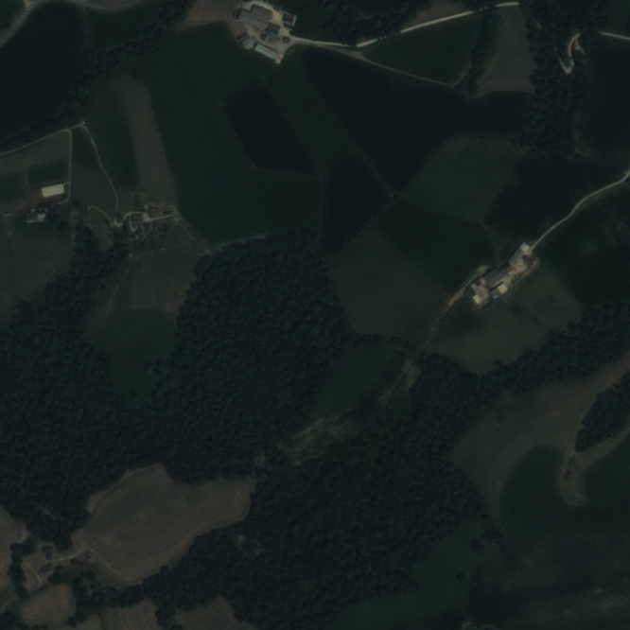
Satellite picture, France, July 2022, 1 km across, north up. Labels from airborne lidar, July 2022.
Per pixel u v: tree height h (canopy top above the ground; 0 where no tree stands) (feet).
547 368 73
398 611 0
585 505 0
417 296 0
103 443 73
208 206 0
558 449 0
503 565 0
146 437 68
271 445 72
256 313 74
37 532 70
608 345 89
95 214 0
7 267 0
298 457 0
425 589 0
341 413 0
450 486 39
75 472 96
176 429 59
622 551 0
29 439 51
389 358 0
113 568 0
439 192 0
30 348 84
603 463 0
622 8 0
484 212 0
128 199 0
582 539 0
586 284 0
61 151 0
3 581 0
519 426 0
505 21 0
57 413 84
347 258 0
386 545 66
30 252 0
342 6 38
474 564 0
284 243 82
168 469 47
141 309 0
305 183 0
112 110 0
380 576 93
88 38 0
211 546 56
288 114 0
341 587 92
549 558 0
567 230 0
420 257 0
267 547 66
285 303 32
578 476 0
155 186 0
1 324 0
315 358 77
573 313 0
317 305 98
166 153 0
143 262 0
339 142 0
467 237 0
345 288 0
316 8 0
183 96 0
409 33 0
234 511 0
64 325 44
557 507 0
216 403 54
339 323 64
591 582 0
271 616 70
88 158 0
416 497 88
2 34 0
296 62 0
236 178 0
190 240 0
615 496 0
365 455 51
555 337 22
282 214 0
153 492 0
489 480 0
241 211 0
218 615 0
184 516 0
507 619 0
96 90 0
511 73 0
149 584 51
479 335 0
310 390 74
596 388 0
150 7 0
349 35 74
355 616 0
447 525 71
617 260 0
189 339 64
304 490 52
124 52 53
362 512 72
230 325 98
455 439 53
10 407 66
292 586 79
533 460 0
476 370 0
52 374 87
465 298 0
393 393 0
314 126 0
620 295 0
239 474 45
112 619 0
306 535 35
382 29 89
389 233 0
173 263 0
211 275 94
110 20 0
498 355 0
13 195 0
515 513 0
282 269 93
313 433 0
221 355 86
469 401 82
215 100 0
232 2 0
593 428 80
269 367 74
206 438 54
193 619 0
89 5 0
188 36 0
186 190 0
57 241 0
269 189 0
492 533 41
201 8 0
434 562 0
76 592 38
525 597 0
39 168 0
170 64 0
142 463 48
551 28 73
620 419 68
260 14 0
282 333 78
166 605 63
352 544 64
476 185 0
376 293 0
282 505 75
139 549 0
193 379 92
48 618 0
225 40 0
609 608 0
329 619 69
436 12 0
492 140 0
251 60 0
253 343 29
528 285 0
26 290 0
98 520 0
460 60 0
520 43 0
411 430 58
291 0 0
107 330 0
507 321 0
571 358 92
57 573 37
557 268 0
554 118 30
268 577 32
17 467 35
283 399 65
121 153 0
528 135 28
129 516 0
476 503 66
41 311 38
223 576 76
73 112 36
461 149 0
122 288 0
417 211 0
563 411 0
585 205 0
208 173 0
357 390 0
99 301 0
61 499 70
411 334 0
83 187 0
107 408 65
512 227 0
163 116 0
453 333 0
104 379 60
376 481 63
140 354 0
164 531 0
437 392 78
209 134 0
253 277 56
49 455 95
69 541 39
